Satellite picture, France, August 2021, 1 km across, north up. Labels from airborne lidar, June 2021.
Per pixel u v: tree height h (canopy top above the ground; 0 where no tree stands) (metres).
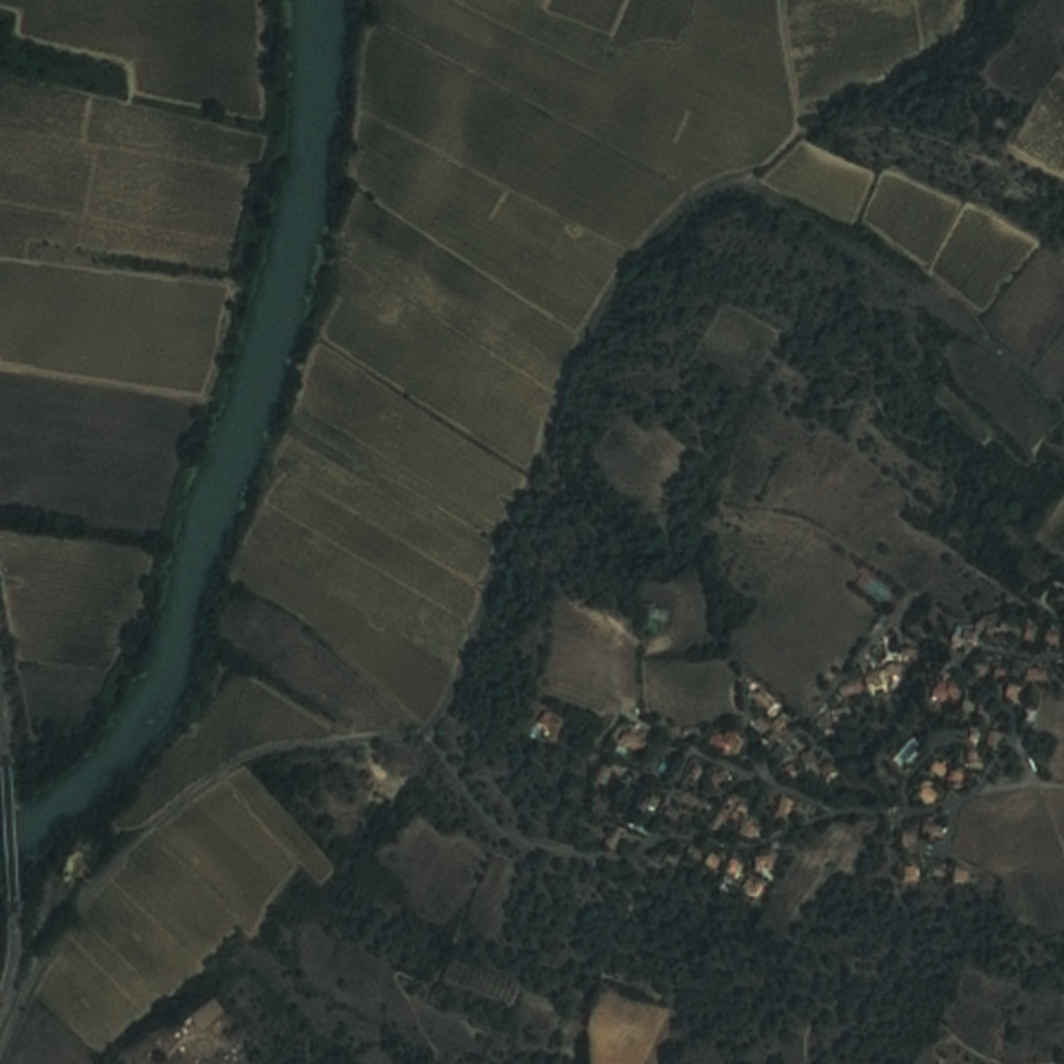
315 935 0
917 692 8
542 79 0
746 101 0
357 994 0
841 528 0
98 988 0
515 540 15
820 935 15
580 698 0
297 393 10
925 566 0
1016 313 0
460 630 0
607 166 0
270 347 0
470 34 0
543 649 9
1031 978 12
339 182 11
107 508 0
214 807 0
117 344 0
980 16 9
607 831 8
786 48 0
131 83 0
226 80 0
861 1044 14
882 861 13
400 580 0
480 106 0
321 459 0
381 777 0
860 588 8
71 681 0
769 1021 6
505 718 19
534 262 0
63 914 16
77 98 0
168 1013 10
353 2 16
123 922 0
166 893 0
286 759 9
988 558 11
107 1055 9
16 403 0
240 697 0
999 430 5
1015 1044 13
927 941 9
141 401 0
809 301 10
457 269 0
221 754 0
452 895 0
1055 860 0
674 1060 7
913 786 7
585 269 0
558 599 17
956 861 7
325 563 0
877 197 0
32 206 0
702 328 6
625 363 17
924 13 0
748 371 0
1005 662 6
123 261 6
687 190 0
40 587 0
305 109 0
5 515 16
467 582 0
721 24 0
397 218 0
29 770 19
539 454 0
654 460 0
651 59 0
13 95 0
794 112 0
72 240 0
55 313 0
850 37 0
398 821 8
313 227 0
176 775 0
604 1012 0
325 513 0
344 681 0
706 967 18
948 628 8
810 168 0
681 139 0
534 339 0
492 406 0
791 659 0
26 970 9
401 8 0
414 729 0
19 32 0
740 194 6
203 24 0
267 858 0
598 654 0
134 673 11
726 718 8
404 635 0
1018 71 0
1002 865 0
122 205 0
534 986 13
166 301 0
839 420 12
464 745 9
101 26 0
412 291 0
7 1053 0
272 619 0
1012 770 12
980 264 0
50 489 0
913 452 7
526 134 0
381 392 0
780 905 0
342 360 0
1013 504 19
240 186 0
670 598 0
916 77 22
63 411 0
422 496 0
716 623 13
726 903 17
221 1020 0
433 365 0
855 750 21
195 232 0
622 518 11
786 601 0
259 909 0
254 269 22
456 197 0
